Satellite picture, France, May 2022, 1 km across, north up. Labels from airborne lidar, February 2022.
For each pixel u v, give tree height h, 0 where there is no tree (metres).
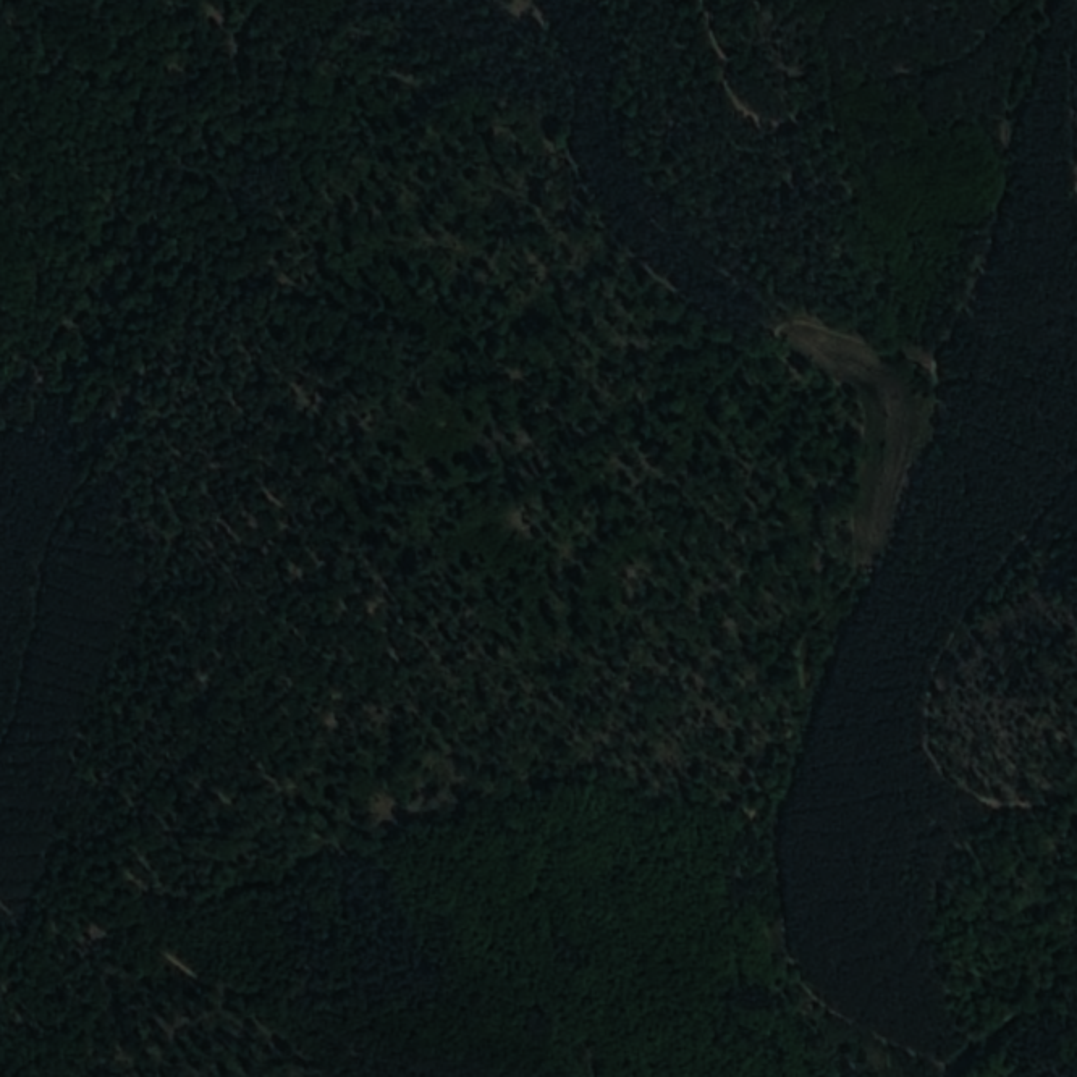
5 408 30
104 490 10
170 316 28
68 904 25
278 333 32
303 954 31
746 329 29
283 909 37
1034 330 20
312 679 27
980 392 16
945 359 18
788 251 29
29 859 16
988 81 14
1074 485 17
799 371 31
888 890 17
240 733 26
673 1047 0
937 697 28
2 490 19
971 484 16
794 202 33
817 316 27
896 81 14
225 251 23
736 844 21
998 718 25
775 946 0
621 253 17
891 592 16
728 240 31
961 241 17
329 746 26
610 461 0
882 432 0
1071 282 18
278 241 29
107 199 34
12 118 26
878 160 17
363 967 31
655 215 29
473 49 27
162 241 29
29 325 33
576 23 22
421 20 26
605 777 31
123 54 30
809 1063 18
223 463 25
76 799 11
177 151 29
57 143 24
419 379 30
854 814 14
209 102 28
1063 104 17
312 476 33
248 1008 19
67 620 15
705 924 19
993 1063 21
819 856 12
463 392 35
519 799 28
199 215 20
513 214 28
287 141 23
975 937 28
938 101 13
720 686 29
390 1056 18
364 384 37
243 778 29
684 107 29
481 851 0
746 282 27
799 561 27
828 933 17
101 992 25
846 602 11
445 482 38
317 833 36
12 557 20
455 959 22
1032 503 18
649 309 30
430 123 30
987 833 23
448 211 28
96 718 20
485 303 31
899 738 17
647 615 26
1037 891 26
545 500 31
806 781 16
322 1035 16
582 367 31
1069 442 17
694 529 27
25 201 27
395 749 28
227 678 26
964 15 13
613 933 0
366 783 31
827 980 16
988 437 18
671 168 32
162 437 26
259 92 23
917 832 12
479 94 36
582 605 32
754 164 26
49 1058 28
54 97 27
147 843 27
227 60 28
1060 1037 11
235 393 30
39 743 16
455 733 29
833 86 21
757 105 23
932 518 16
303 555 27
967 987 27
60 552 17
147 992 27
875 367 0
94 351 29
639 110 29
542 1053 0
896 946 16
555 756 30
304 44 25
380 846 24
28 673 17
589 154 27
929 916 13
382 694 23
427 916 19
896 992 15
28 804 17
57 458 21
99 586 18
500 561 8
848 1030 16
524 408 16
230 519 28
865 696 17
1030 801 23
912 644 16
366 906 30
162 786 27
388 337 33
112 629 16
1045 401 18
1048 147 19
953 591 17
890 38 15
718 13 24
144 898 17
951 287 19
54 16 29
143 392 21
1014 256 20
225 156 24
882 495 0
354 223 35
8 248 26
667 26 26
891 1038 17
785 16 26
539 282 30
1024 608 27
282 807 36
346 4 24
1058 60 18
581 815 0
